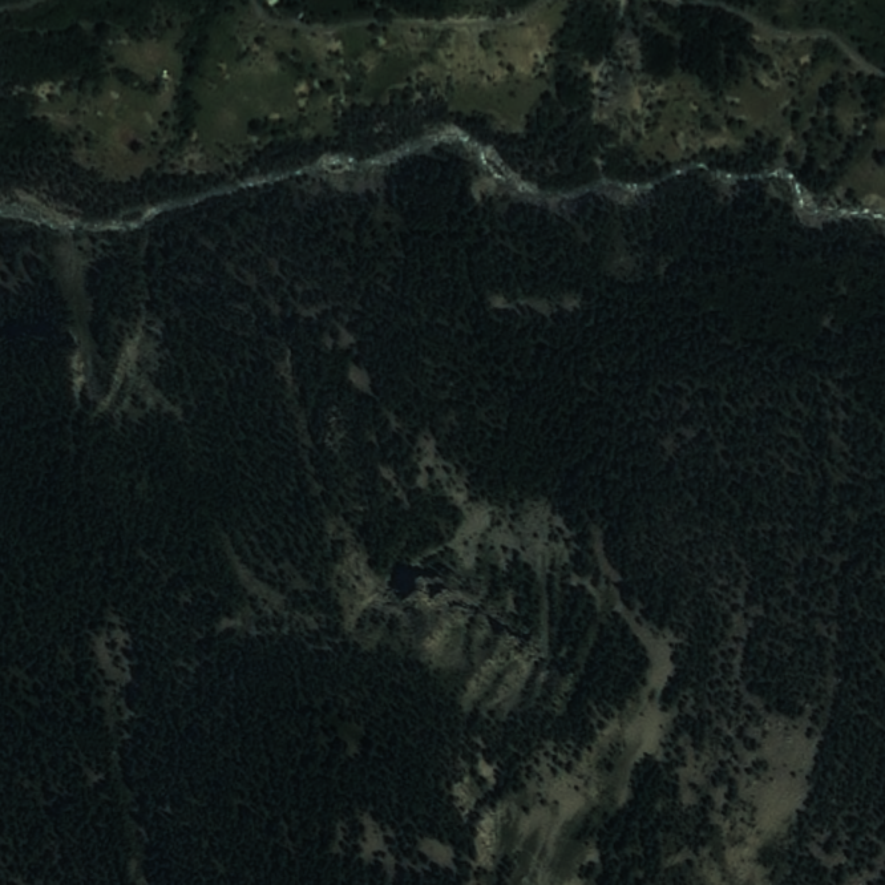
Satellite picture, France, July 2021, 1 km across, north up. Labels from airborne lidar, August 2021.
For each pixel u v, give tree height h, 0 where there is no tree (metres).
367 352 22
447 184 24
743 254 17
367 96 0
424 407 16
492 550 7
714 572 10
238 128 0
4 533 12
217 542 8
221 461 15
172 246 19
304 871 13
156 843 14
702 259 7
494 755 22
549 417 11
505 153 12
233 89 0
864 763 18
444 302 17
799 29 0
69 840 23
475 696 0
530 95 0
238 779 15
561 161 16
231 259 20
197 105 6
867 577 17
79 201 8
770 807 0
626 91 0
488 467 16
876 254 14
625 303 20
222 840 24
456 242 16
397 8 11
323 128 0
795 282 7
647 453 18
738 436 18
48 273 20
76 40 16
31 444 15
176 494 17
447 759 9
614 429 25
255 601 9
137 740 22
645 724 0
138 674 22
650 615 18
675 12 13
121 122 0
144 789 14
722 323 13
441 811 15
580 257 11
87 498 20
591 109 8
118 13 10
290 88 0
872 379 9
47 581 19
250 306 8
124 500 9
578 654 9
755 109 0
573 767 10
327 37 0
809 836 9
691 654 15
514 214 17
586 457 9
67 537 20
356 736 0
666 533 14
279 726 14
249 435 20
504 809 0
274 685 10
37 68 9
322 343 22
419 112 8
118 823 12
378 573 14
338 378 12
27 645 22
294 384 6
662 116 0
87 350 0
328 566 8
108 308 10
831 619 10
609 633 12
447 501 16
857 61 0
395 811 21
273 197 18
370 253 12
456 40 0
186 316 11
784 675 8
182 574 8
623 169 9
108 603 23
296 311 8
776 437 21
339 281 18
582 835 7
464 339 18
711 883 0
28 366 15
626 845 17
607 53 11
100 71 8
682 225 12
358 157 6
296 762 19
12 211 0
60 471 25
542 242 22
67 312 18
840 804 10
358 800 15
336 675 12
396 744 20
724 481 18
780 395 23
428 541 16
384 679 18
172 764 10
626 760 0
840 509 15
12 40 9
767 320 14
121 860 22
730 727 9
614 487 24
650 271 15
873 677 14
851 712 16
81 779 24
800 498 22
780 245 17
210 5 7
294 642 8
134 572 22
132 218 6
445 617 0
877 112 12
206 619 12
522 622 8
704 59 16
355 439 22
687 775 0
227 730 18
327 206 12
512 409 20
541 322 15
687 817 9
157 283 10
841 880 16
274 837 21
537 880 0
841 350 22
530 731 12
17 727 24
